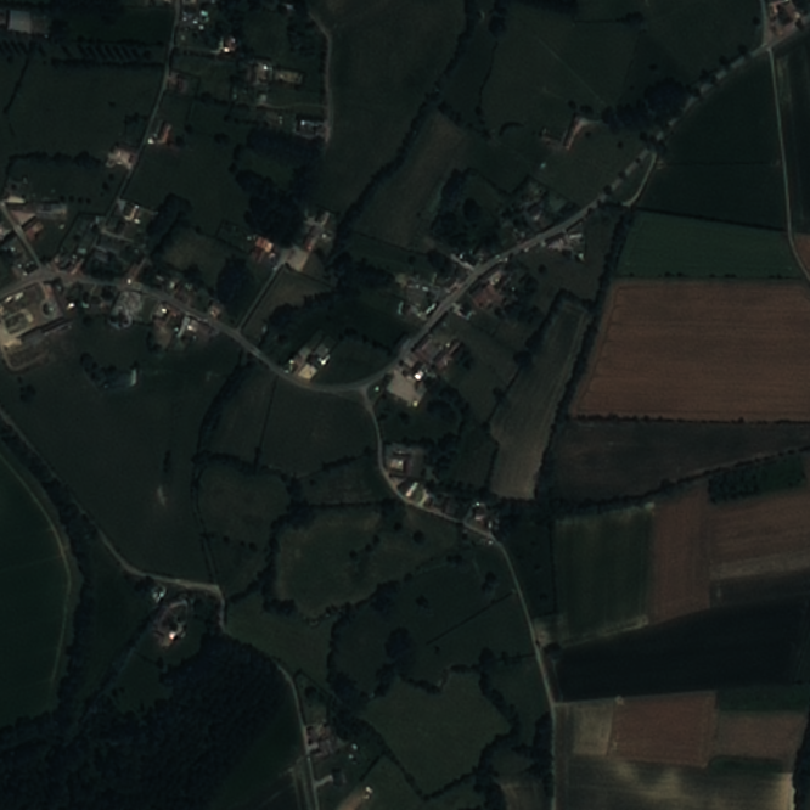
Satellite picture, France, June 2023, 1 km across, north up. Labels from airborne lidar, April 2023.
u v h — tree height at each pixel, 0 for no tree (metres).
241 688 34
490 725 0
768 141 0
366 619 0
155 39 0
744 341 0
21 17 0
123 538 0
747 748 0
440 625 0
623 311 0
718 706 0
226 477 0
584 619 0
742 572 0
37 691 0
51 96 0
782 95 0
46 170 0
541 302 0
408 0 0
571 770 0
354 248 0
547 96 0
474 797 0
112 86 0
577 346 0
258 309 0
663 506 0
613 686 0
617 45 0
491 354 0
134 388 0
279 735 0
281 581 0
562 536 0
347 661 0
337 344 0
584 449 0
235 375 7
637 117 31
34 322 0
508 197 7
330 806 0
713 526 0
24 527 0
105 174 0
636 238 0
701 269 0
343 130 0
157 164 0
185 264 0
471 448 0
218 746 32
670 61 0
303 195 32
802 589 0
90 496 0
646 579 0
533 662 0
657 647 0
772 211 0
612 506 8
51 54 0
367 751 0
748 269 0
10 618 0
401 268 0
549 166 0
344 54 0
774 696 0
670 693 0
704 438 0
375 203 0
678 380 0
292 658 0
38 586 0
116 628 0
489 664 16
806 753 16
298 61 0
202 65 0
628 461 0
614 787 0
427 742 0
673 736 0
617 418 11
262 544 0
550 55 0
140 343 0
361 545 0
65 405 0
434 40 0
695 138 0
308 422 0
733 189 0
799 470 0
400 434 0
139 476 0
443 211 6
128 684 0
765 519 0
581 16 0
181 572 0
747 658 0
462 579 0
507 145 0
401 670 14
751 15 0
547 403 0
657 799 0
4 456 0
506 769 0
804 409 0
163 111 0
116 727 16
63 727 29
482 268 0
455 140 0
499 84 0
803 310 0
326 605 0
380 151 0
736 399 0
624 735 0
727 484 9
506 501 11
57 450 0
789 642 0
